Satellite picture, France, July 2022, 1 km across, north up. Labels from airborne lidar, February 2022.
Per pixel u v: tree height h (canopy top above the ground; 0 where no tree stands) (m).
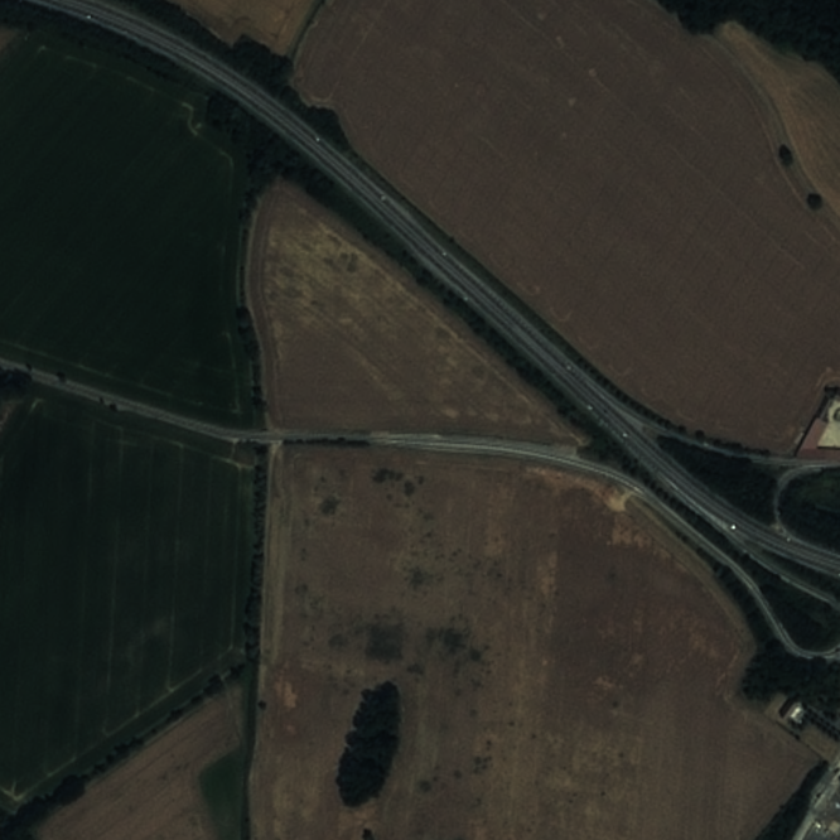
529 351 0
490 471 0
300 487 0
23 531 0
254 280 0
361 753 20
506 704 0
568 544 0
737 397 0
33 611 0
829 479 8
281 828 0
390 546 0
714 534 9
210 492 0
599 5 0
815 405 0
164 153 0
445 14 0
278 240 0
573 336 0
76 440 0
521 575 0
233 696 0
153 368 0
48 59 0
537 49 0
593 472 0
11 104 0
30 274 0
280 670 0
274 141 8
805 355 0
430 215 0
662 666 0
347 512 0
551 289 0
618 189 0
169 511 0
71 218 0
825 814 0
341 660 0
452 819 0
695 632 0
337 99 0
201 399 0
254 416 0
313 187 11
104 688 0
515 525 0
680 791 0
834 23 18
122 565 0
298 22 0
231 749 0
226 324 0
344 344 0
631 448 0
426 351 0
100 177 0
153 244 0
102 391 0
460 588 0
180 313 0
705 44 0
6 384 25
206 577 0
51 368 0
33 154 0
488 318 0
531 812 0
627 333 0
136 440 0
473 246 0
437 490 0
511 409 0
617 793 0
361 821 0
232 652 0
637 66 0
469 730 0
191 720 0
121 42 15
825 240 0
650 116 0
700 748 0
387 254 6
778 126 0
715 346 0
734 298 0
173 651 0
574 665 0
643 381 0
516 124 0
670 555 0
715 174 0
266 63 7
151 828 0
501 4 0
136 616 0
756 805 0
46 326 0
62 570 0
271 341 0
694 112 0
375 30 0
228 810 0
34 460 0
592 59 0
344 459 0
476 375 0
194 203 0
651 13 0
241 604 0
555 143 0
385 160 0
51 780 0
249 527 0
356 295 0
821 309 0
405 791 0
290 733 0
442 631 0
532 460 0
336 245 0
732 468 11
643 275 0
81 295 0
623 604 0
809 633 17
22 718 0
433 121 0
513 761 0
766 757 0
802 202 0
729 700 0
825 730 8
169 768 0
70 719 0
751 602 17
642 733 0
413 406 0
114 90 0
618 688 0
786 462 0
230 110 13
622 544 0
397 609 0
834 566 0
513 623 0
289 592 0
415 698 0
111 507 0
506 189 0
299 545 0
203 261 0
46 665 0
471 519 0
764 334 0
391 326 0
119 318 0
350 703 0
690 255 0
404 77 0
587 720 0
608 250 0
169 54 0
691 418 0
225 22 0
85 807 0
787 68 0
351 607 0
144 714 0
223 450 0
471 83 0
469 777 0
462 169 0
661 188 0
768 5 18
